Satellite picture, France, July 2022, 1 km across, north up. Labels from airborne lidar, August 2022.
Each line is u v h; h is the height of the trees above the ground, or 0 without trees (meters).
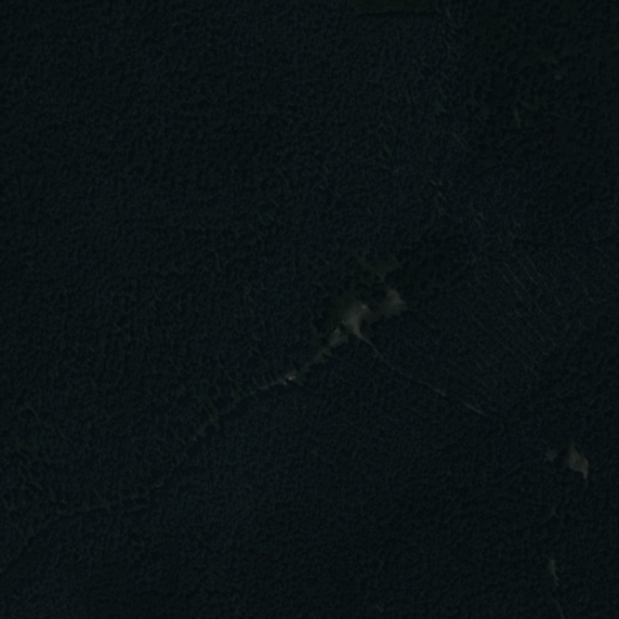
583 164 23
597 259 17
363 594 22
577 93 7
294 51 23
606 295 20
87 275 20
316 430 13
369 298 14
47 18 12
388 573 19
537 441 35
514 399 22
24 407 7
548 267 17
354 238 27
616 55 20
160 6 18
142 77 25
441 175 31
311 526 20
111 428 22
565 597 26
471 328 19
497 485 20
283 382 0
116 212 19
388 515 20
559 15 19
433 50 22
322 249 25
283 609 16
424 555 15
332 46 18
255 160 18
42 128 11
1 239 16
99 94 21
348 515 21
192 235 22
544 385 20
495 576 22
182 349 23
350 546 23
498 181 24
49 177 21
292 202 23
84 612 24
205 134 22
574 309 19
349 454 26
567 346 19
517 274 16
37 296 17
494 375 18
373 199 23
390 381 11
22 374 16
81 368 22
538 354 19
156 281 17
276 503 11
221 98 22
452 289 15
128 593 18
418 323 21
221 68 19
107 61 19
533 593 22
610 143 23
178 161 24
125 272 17
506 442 33
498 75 24
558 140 19
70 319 22
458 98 28
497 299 16
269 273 18
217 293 23
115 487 23
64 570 19
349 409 15
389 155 18
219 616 12
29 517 23
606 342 24
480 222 30
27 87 18
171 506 30
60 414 22
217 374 18
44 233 21
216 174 18
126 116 21
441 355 24
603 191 17
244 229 18
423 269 9
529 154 21
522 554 18
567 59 21
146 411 23
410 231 21
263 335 31
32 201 14
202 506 28
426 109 27
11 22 16
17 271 17
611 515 19
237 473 24
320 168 24
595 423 17
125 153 20
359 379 21
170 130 21
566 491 23
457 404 17
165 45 22
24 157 15
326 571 21
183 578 21
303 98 20
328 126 24
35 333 16
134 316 22
